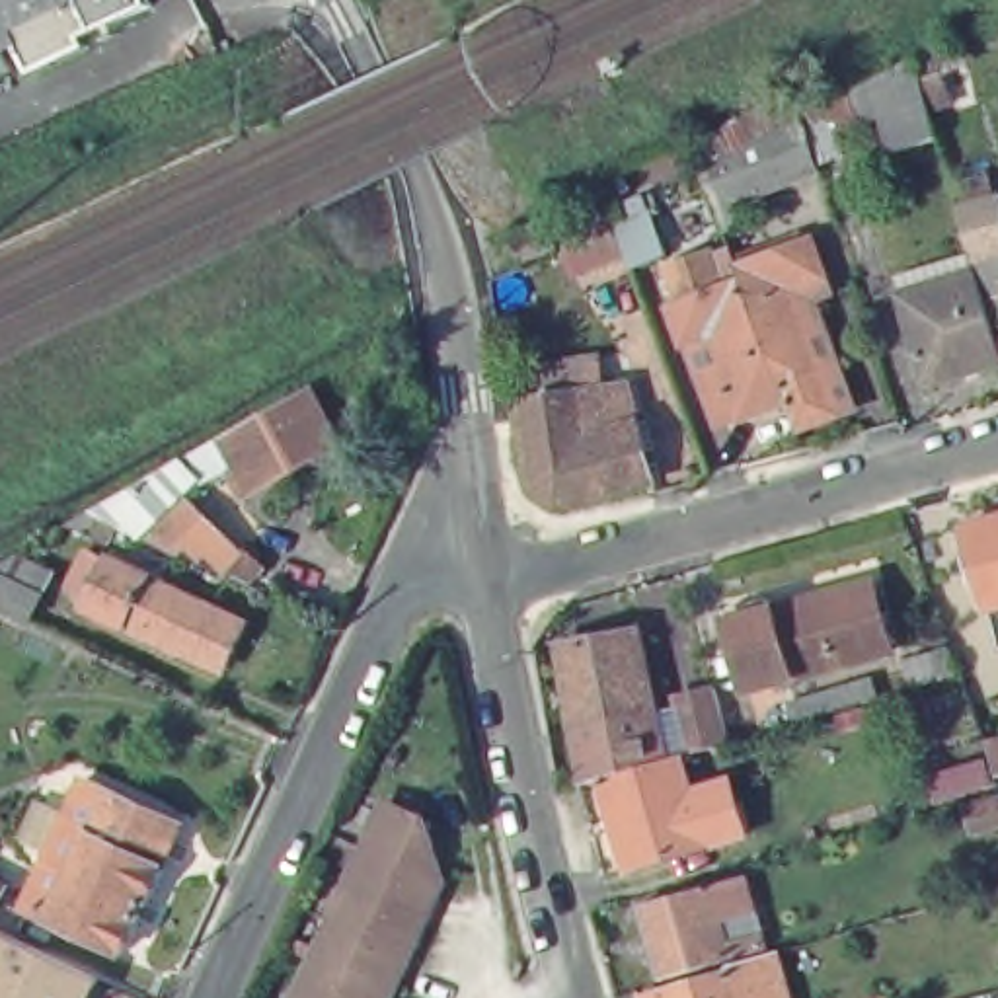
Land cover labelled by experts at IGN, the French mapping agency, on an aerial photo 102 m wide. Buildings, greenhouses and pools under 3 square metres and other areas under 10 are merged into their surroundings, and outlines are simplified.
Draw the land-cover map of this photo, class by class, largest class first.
<instances>
[{"label":"herbaceous vegetation","instance_id":"1","mask_svg":"<svg viewBox=\"0 0 998 998\"><path fill-rule=\"evenodd\" d=\"M538 0H359V8L378 27L386 51L394 58L413 62H421L429 51H448L460 35L480 31L491 16H511ZM998 4V0H752L749 8L729 12L721 23L698 27L659 51H647L632 66L616 62L612 78L600 101L573 117L542 105H526L522 113L495 121L487 129L491 152L507 183L522 199L542 191L546 175H569L612 172L608 164L628 144L659 136L671 121L674 109L702 101L729 109L741 97V78L733 74V66L745 51L752 58H784V51L795 47L803 35H819L811 43V55L823 62L826 86L842 94L865 82L869 74L893 66H908L912 78H920L932 58L951 66V58H963L951 35V16L967 8L971 16H979ZM327 86L316 58L300 51V39H285L277 35V27H261L253 35H242L230 51L214 47L207 31L187 58H175L172 66L86 109L58 113L31 136L0 148V238L70 207L78 218L101 211L97 195H105L117 183H125L129 191L148 187L164 172L183 168V152H191L203 140H211V148H226L242 133L277 136L285 129L281 113L324 94ZM975 70V105L959 109H936L932 101H924V117L936 136L920 148H897L889 160L897 168L893 187L908 191L924 207L897 222L869 226L877 238L881 269L893 277L959 253V230L951 214L959 211V183L971 175L975 160L998 164V35L986 43L982 55L967 58ZM327 211L304 207L285 226L257 230L246 246L203 261L195 273L175 277L144 300L105 320L70 327L51 343L23 355H8L0 363V561L43 557V569H51L66 573L78 550H90L94 546L90 538H70V518L78 511L129 487L133 480L148 476L168 460L187 456L218 429L261 409L265 402L312 386L327 421L343 413L347 402L335 390V382L363 368V353L382 337V331L405 327V265H398L370 277L351 269L327 234ZM826 285H846L850 261L842 238L826 222H815L811 238ZM515 238L503 226L487 230L483 238L495 281H526V304L515 308L518 331V339L538 351V366L554 370L561 359L581 355L585 343H608L612 331L604 324H589L581 285L554 269V261L538 253L518 265L515 250ZM959 390L967 394L971 409L998 402V370L963 378ZM382 503H347L316 476V491H306L304 507L312 511L316 530H324L339 554L355 557ZM865 557L881 565L877 608L885 616L889 639L897 647L912 643L908 604L912 593H928L924 565L904 526L897 534L873 538L862 550ZM164 581L242 620L226 667L214 678L218 706H207L199 713V737L191 741L183 764L168 756V741L160 733L164 710L160 694H148L133 682V671L156 674L172 690L191 694L203 674L74 616H62L55 608L47 624H35L31 616L12 620L8 628L0 624V787L31 776L27 764L35 760V737L47 725L58 733L62 756L70 764H86L90 772H94L97 764H121L125 772L140 776L136 791L129 795L164 815L195 819L199 838H207V850L218 862L234 854L238 838H230V830L234 823H246L242 811L253 799L250 772L261 764L277 721L288 725L296 706H304L316 694L320 678V643L277 620L269 608H253L242 593L222 581H207L191 557L175 554ZM834 565L826 554L799 557L784 569H756L749 577H733L721 585V596L741 600L756 593L768 608L776 596L772 589H780L795 600L807 593L803 581H815L819 569ZM468 733L456 678L448 682L444 667H429L425 698L409 733L405 764L382 768V760L374 756L363 772V803L374 791L378 799H390L421 815L441 865V881L452 885L460 897H487L499 904L507 967L518 955H526L499 834V819L464 823L460 795L468 791V784L456 780V741ZM908 706L924 737L928 784L943 768L975 764L986 752V741L998 733V690L982 694L975 667L963 671L959 678L943 682H912ZM858 729H819L815 741H807L795 752L791 768L776 784L760 772V764H733V772L725 776L745 834L737 846L710 850L706 865L686 877L624 893L596 901L593 928L604 947L612 990L635 994L651 986V971L647 963L624 959L620 924L628 920V908L706 889L729 877H745L760 916L764 947L780 955L791 998H877L873 990L881 975H897L908 990L936 979L947 986L943 998H998V908L986 920H979L971 908L928 912L920 897V877L932 862L951 858L955 873L971 889L986 885L998 893V842L967 838L959 823L947 834L928 830L924 823L912 830L904 826L897 842H889L885 830L873 823L881 811L893 807L881 791V760L862 749V741L854 737ZM343 854L327 850L320 893L300 916L296 940L316 920L324 897L339 877ZM218 877L183 873L175 881L168 920L148 936V963L164 971L175 963V951L187 940H195ZM0 936L90 971L125 986L133 971L152 994H160L164 979L148 967H133V959H109L82 943H70L16 912L0 916Z\"/></svg>","mask_w":998,"mask_h":998},{"label":"building","instance_id":"2","mask_svg":"<svg viewBox=\"0 0 998 998\"><path fill-rule=\"evenodd\" d=\"M144 0H0V70L16 66L19 74H35L74 55L82 35L105 31L117 19L136 16ZM951 66L932 58L920 78H912L908 66H893L869 74L865 82L842 94L826 109V121L803 125H776L729 109L717 144L702 152V179L729 207L737 199H749L795 191L803 199L819 183L823 175L842 168V148L834 144V133L858 117H873L881 129V144L897 148H920L936 136L924 117V101H932L936 109H959V97L943 90ZM643 175L635 195L624 203V222H616V230L608 234H593L581 246H565L554 261V269L581 285H608L628 273L647 265L663 250L651 218L674 207V164L663 156L639 168ZM959 211L951 214L959 230V253L893 277L889 304L901 327L897 343L908 355L918 390L963 378L998 370V164L975 160L971 175L959 183ZM663 320L671 327V339L686 363V374L698 390L702 413L713 433H729L737 425L752 429L768 409H787L799 433L838 421L850 413L854 402L842 370L834 351L830 331L823 324L826 285L811 238L760 253L710 250L706 242L686 250L682 261L667 257L655 273ZM538 253L534 242L515 250L518 265ZM639 370L620 366L612 382H604L596 359L581 355L561 359L554 370L538 366L534 394L518 398L507 409L503 421L511 425V460L522 495L542 511L573 515L628 499H655L659 487L643 456L632 402V378ZM339 448L327 421L312 386L265 402L261 409L218 429L187 456L168 460L148 476L133 480L129 487L78 511L70 518V538H90L94 546L136 538L144 546L175 554L191 557L207 581H222L242 593L253 581H269V569L257 557L242 554L211 518H203L191 507V487L211 483L238 507L242 522L253 534H265V526L261 499L296 468H316L327 452ZM959 557L951 561L975 585V604L967 612H990L998 639V511L971 515L955 530ZM62 596L70 600L74 616L203 674L214 678L226 667L242 620L164 581L90 550H78L66 573ZM51 581V569H43V557L0 561V624L8 628L12 620L31 616L35 600ZM881 565L865 557L834 565L819 569L815 581H803L807 593L795 600L780 589H772L776 596L768 608L756 593L741 600L737 612L721 620L710 639L713 655L729 663V694L741 706L756 690L787 686L795 674L862 663L873 655H889L893 647L901 667L885 672L912 682H943L959 678L963 671V663L940 651L920 655L912 643L897 647L889 639L885 616L877 608ZM554 659L538 663L542 690L557 686V706L546 710V717L554 768H573L569 791L573 799H581L585 823H600L604 854L612 869L624 877L651 869L655 854L682 862L686 877L706 865L710 850L737 846L745 834L725 776H713V752L725 737L721 706L710 690H674L667 710L655 706L639 628L577 635L557 639L550 647ZM877 698L873 674L776 706L772 721L830 710L834 729H858L865 702ZM382 760V768L405 764L409 733H390V741L374 756ZM928 803H947L951 819L959 823L967 838L998 842V733L986 741V752L975 764L943 768L928 784ZM27 815L19 823V834L23 850L35 846L39 858L27 865L16 912L70 943H82L109 959H133V943L148 936L168 920L175 881L183 873V865L191 862V846L199 838L195 819L164 815L129 795L97 784L94 772H90L62 791H23ZM327 850L343 854L339 877L324 897L316 920L296 940V971L285 982L281 998H394V982L417 943V932L441 881V865L421 815L390 799H378L374 791L363 803L347 826L331 830ZM624 959L647 963L651 971V986L635 994V998H791L780 955L764 947L760 916L745 877H729L706 889L628 908V920L620 924ZM94 986L90 971L0 936V998H86Z\"/></svg>","mask_w":998,"mask_h":998},{"label":"impervious surface","instance_id":"3","mask_svg":"<svg viewBox=\"0 0 998 998\"><path fill-rule=\"evenodd\" d=\"M261 27H277V35L285 39H300V51L316 58L327 86L324 94L281 113L285 129L413 62L394 58L386 51L378 27L359 8V0H144L136 16L117 19L105 31L82 35L74 55L35 74H19L16 66L0 70V148L31 136L58 113L86 109L172 66L175 58H187L207 31L214 47L230 51L242 35H253ZM943 90L959 97V109L975 105V70L967 58H951V66ZM612 78L596 66L577 86L554 90L542 105L573 117L600 101ZM386 199L398 265H405V327L417 351V378L441 402V409L429 433L409 429L405 437H398V452L413 468V480L398 511L378 546V557L370 565H359L355 557L339 554L324 530H316L312 511L304 507L265 526V534H253L242 522L238 507L211 483L191 487V507L203 518H211L242 554L257 557L269 569V581H277L288 596L331 616V628L324 632V643L331 647L339 643L343 628L355 632V647L339 678L331 682L320 717H308L304 706H296L288 725L277 721L261 764L250 772L253 799L242 811L246 823H234L230 830V838H238L234 854L218 862L207 850V838H199L191 846V862L183 865V873L218 877L195 940H187L175 951V963L164 971L148 963V936L133 943V967H148L164 979L160 994H152L133 971L125 986L90 971L94 986L86 998H246L269 928L285 901V877L296 873L300 846L312 842L324 811L335 807V791L343 784L347 756L359 745L363 717L378 702V682L402 674L405 655L429 628L456 632L468 647L487 752V768L499 787V834H515V865L530 881L526 908L534 912V932L546 943H554V955L534 979L526 955H518L507 967L511 979L522 982L526 998H635V994L612 990L604 947L593 928L596 901L624 893V877L612 869L604 854L600 823H585L593 865L585 873H569L554 795L569 791L573 768H554L546 717H538L534 710L538 702L530 698V678L522 667V612L530 600L554 589H569L573 600L557 612L569 620L577 635L639 628L655 706L667 710L674 690H710L721 706L725 737L752 741L764 721H772L776 706L873 674L885 672L901 667L893 647L889 655H873L862 663L795 674L787 686L756 690L741 706L729 694V663L713 655L710 639L721 620L737 612L741 600L721 596V585L713 581V561L756 546L815 534L885 511H904V526L924 565L928 593L940 589L955 608L959 632L936 639L940 651L963 663V671L975 667L982 694L998 690V639L990 612H967L975 604V585L951 561L959 557L955 530L971 515L998 511V402L971 409L967 394L959 390L963 378L918 390L908 355L897 343L901 327L889 304L893 277L881 269L877 238L869 226H858L850 218L842 238L850 261L862 265L869 277V331L873 339L881 347H893V363L901 374L893 382L897 409H881L873 378L858 363L842 370L854 402L850 413L838 421L846 441L830 448H803L780 456L772 441L799 433L787 409H768L752 429L737 425L729 433H713V452L721 468L710 472L706 452L698 448L694 417L667 374V363L655 347V335L647 327V316L628 273L608 285H581L589 324H604L612 331L608 343H585L581 355L596 359L604 382H612L620 366L639 370L632 378V402L643 456L659 487L655 499V511L643 518L600 522L581 530L577 538L557 542H546L530 522H507L495 448V425L503 421L507 409L491 398L480 374V331L483 320H499L518 331L515 308L503 304L495 281L483 238L476 230L468 203L448 179L441 148H421L409 160L382 164V172L370 183ZM768 211V222L756 226V234H729V207L702 179V195L682 203V211L702 214V230L686 234L674 246V253L663 250L647 265L655 273L667 257L682 261L686 250L706 242L710 250L760 253L811 238L815 222H826V199L819 183L803 199L795 191L749 199ZM823 324L830 331L834 351L842 347L846 324V285H826ZM164 581L175 554L144 546L136 538L94 546L90 550ZM66 573L51 569V581L35 600L31 616L35 624H47L55 608L62 616H74L70 600L62 596ZM90 772L86 764H70L47 776H31L0 787V799L23 791H62ZM39 858L35 846L23 850L19 834L0 846V916L16 912L27 865Z\"/></svg>","mask_w":998,"mask_h":998},{"label":"pervious surface","instance_id":"4","mask_svg":"<svg viewBox=\"0 0 998 998\"><path fill-rule=\"evenodd\" d=\"M752 0H538L511 16H491L480 31L460 35L448 51H429L421 62H413L285 129L277 136L242 133L226 148H211V140H203L191 152H183V168L164 172L148 187L129 191L125 183H117L105 195H97L101 211L78 218L70 207L0 238V363L8 355H23L51 343L70 327L105 320L144 300L175 277L195 273L203 261L246 246L257 230L285 226L304 207L327 211V234L351 269L370 277L398 265L386 199L370 183L382 172V164L409 160L421 148H441L448 179L468 203L476 230L483 238L487 230L503 226L515 214H526L522 199L507 183L491 152L487 129L495 121L522 113L526 105H542L554 90L577 86L596 66L612 78L616 62L632 66L647 51H659L698 27L721 23L729 12L749 8ZM495 448L507 522H530L546 542H557L577 538L581 530L600 522L643 518L655 511V499H628L573 515L542 511L522 495L511 460V425L503 421L495 425ZM573 600L569 589H554L530 600L522 612V667L530 678V698L538 702L534 710L538 717H546V710L557 706V686L542 690L538 663L554 659L550 647L557 639L577 635L569 620L557 612ZM355 647V632L343 628L339 643L331 647L327 671L320 678L316 694L304 706L308 717H320L331 682L339 678ZM456 678L468 733L472 752H487L468 647L456 632L448 635ZM569 873H585L593 865L585 823L581 799H573L569 791L554 795ZM526 955L534 979L554 955V943H546L534 932V912L526 908L530 881L515 865V834H499ZM686 877L682 862L655 854L651 869L624 877V893ZM394 998H526L522 982L511 979L507 967L499 904L487 897H460L452 885L441 881L417 932V943L394 982Z\"/></svg>","mask_w":998,"mask_h":998},{"label":"deciduous trees","instance_id":"5","mask_svg":"<svg viewBox=\"0 0 998 998\"><path fill-rule=\"evenodd\" d=\"M951 35L963 58H967L982 55L986 43L998 35V4L979 16H971L967 8L951 16ZM819 35H803L795 47L784 51V58H752L745 51L733 66V74L741 78V97L729 109L776 125H803L826 121V109L842 94L826 86L823 62L811 55V43ZM671 121L698 125L690 133V148L698 160L674 164V207L651 218L663 250L674 253V246L686 234L702 230V214L682 211V203L702 195V152L717 144L729 109L702 101L674 109ZM834 144L842 148V168L823 175L819 183L826 199V222L842 238L850 218L858 226H869L897 222L924 207L908 191L893 187L897 168L889 160L897 148L881 144V129L873 117H858L834 133ZM569 175H546L542 191L522 199L526 214H515L503 226L515 238V250L534 242L538 253L554 261L565 246H581L593 234L589 207L581 199L561 195ZM768 222V211L749 199H737L729 207V234H756V226ZM480 374L491 398L507 409L518 398L534 394L538 366V351L518 339V331L499 320H483L480 331ZM873 339L869 331L846 324L842 347L834 351L842 370L858 363ZM335 390L347 402L363 405V437H405L409 429L429 433L441 409V402L417 378V351L405 327L382 331V337L363 353V368L335 382ZM846 441L838 421L799 433L772 441L780 456L803 448H830ZM306 491H316V468H296L261 499L265 526L304 507ZM912 643L920 655L940 651L936 639L959 632L955 608L940 589L928 593H912L908 604ZM912 682L885 672L873 674L877 698L865 702L858 729L854 737L862 741V749L881 760V791L893 807L881 811L873 823L885 830L889 842H897L904 826L912 830L924 823L928 830L947 834L959 823L951 819L947 803H928V784L924 737L908 706ZM207 706H218L214 678L203 674L191 694V710H164L160 733L168 741V756L183 764L191 741L199 737V713ZM819 729H834L830 710L772 721H764L752 741L725 737L713 752V776H725L733 772V764H760V772L776 784L791 768L795 752L807 741H815ZM70 764L62 756L58 733L47 725L35 737V760L27 764L31 776H47ZM97 784L129 795L136 791L140 776L125 772L121 764H97L94 772ZM27 815L23 791L0 799V846L19 834V823ZM920 897L928 912L971 908L979 920H986L998 908V893L986 885L971 889L955 873L951 858L932 862L920 877ZM947 986L936 979L908 990L897 975H881L873 990L877 998H943Z\"/></svg>","mask_w":998,"mask_h":998},{"label":"brushwood","instance_id":"6","mask_svg":"<svg viewBox=\"0 0 998 998\"><path fill-rule=\"evenodd\" d=\"M698 125L671 121L659 136L628 144L608 164L612 172L569 175L561 195L581 199L589 207L593 234H608L616 230V222H624V203L635 195L643 175L639 168L663 156L674 164L698 160L690 148V133ZM869 277L862 265L850 261L846 285V324L869 331ZM647 316V327L655 335V347L667 363V374L694 417L698 448L706 452L710 472L721 468L713 452V433L702 413L698 390L686 374V363L671 339V327L663 320L655 273L647 265L628 273ZM858 363L873 378L881 409H897L893 382L901 374L893 363V347H881L873 339ZM398 511L382 503L355 557L359 565H370L378 557V546ZM904 526V511H885L815 534L756 546L713 561V581L721 585L733 577H749L756 569H784L799 557L826 554L834 565L865 557L862 550L873 538L897 534ZM253 608H269L277 620L320 643V678L327 671L331 647L324 643V632L331 628V616L288 596L277 581H253L242 593ZM456 632L429 628L405 655L402 674L378 682V702L363 717L359 745L347 756L343 784L335 791V807L324 811L312 842L300 846L296 873L285 877V901L269 928L246 998H281L285 982L296 971V940L300 916L320 893L327 850L331 830L347 826L363 803V772L374 756L390 741V733H409L425 698L429 667H444L448 682L456 678L448 635ZM133 682L148 694H160L164 710H191V694L172 690L156 674L133 671ZM456 780L468 784V791L460 795L464 823L499 819V787L487 768V752H472L468 733L456 741Z\"/></svg>","mask_w":998,"mask_h":998},{"label":"coniferous trees","instance_id":"7","mask_svg":"<svg viewBox=\"0 0 998 998\"><path fill-rule=\"evenodd\" d=\"M339 448L327 452L316 468V476L347 503H382L398 511L413 480V468L398 452V437H363V405L347 402L343 413L327 421Z\"/></svg>","mask_w":998,"mask_h":998},{"label":"swimming pool","instance_id":"8","mask_svg":"<svg viewBox=\"0 0 998 998\"><path fill-rule=\"evenodd\" d=\"M503 304L515 308L526 304V281H495Z\"/></svg>","mask_w":998,"mask_h":998}]
</instances>
